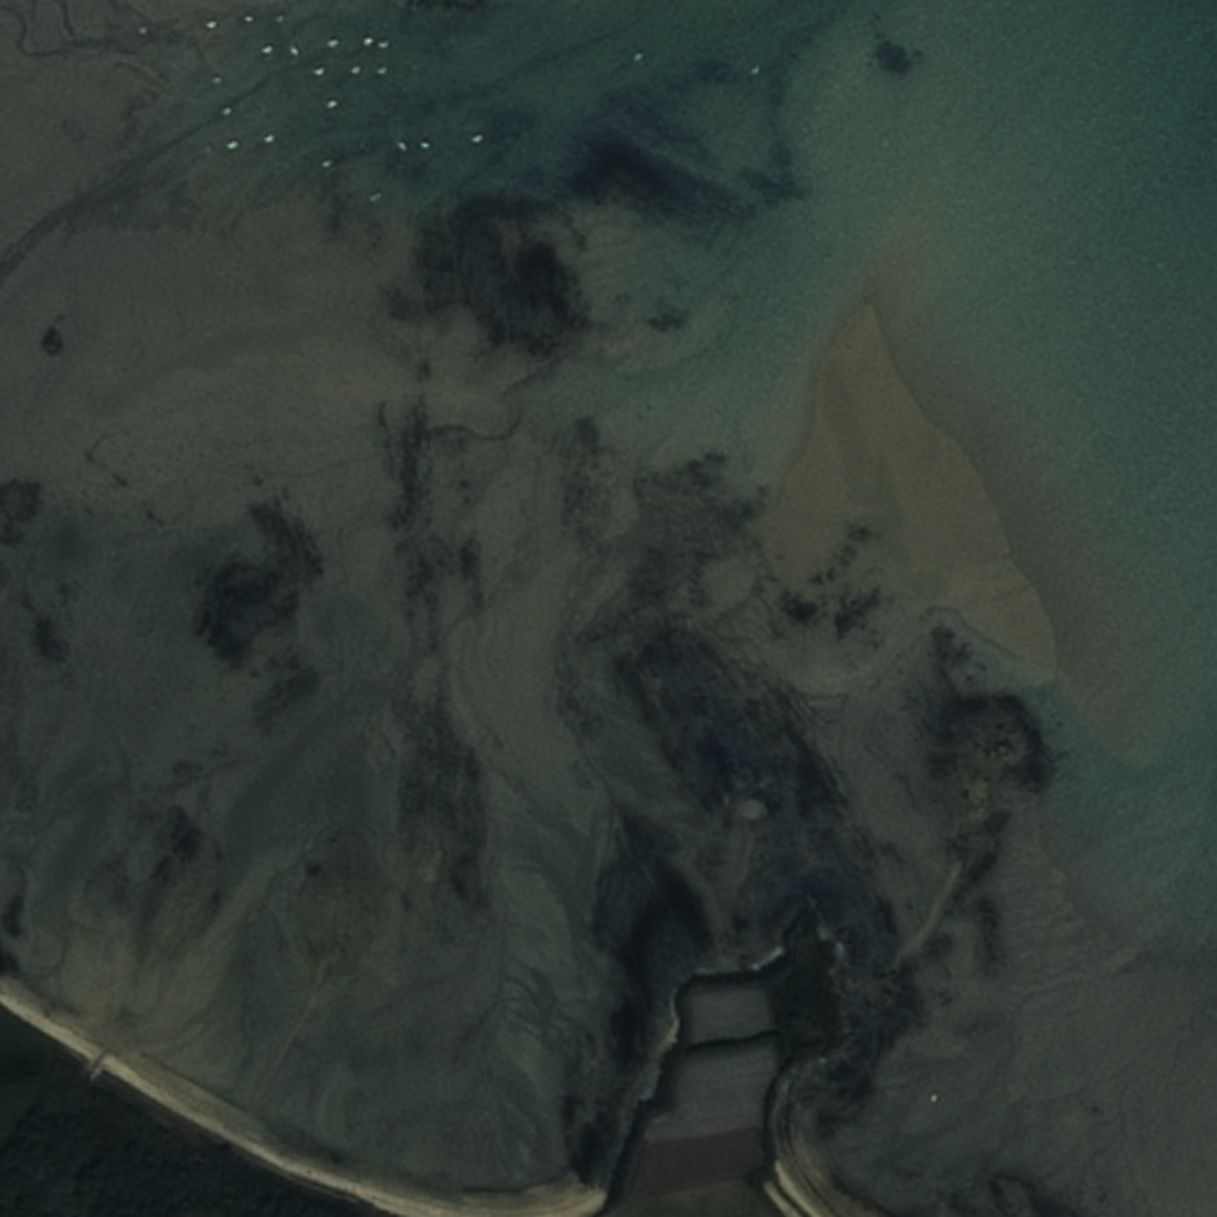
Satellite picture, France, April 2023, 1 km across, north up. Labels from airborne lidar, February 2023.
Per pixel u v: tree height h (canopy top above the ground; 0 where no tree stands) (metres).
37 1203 7
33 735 0
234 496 0
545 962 0
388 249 0
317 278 0
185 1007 0
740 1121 0
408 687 0
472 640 0
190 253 0
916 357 0
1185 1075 0
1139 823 0
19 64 0
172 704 0
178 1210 11
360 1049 0
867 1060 0
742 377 0
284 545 0
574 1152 0
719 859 0
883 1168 0
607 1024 0
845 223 0
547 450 0
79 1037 0
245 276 0
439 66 0
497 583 0
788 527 0
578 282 0
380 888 0
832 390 0
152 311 0
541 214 0
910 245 0
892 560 0
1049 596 0
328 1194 0
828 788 0
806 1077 0
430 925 0
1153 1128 0
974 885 0
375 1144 0
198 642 0
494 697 0
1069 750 0
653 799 0
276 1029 0
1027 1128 0
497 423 0
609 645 0
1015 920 0
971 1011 0
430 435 0
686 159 0
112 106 0
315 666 0
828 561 0
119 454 0
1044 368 0
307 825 0
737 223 0
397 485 0
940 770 0
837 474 0
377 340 0
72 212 0
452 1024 0
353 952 0
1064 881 0
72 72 0
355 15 0
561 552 0
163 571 0
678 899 0
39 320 0
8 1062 0
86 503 0
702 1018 0
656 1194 0
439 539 0
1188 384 0
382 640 0
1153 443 0
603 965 0
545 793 0
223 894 0
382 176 0
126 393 0
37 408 0
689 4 0
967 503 0
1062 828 0
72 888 0
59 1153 9
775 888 0
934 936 0
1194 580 0
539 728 0
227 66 0
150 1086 0
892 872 0
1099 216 0
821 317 0
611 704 0
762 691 0
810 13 0
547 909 0
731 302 0
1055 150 0
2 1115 0
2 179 0
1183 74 0
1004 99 0
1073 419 0
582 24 0
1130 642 0
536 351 0
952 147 0
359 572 0
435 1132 0
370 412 0
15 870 0
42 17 0
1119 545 0
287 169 0
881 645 0
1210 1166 0
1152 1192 0
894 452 0
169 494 0
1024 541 0
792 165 0
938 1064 0
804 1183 0
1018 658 0
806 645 0
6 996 0
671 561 0
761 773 0
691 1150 0
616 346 0
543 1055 0
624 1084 0
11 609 0
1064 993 0
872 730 0
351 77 0
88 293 0
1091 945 0
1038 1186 0
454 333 0
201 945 0
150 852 0
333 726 0
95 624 0
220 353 0
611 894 0
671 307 0
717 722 0
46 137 0
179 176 0
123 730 0
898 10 0
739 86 0
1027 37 0
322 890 0
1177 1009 0
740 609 0
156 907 0
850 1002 0
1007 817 0
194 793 0
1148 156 0
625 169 0
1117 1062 0
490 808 0
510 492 0
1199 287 0
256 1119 0
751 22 0
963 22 0
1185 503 0
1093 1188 0
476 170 0
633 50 0
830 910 0
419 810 0
